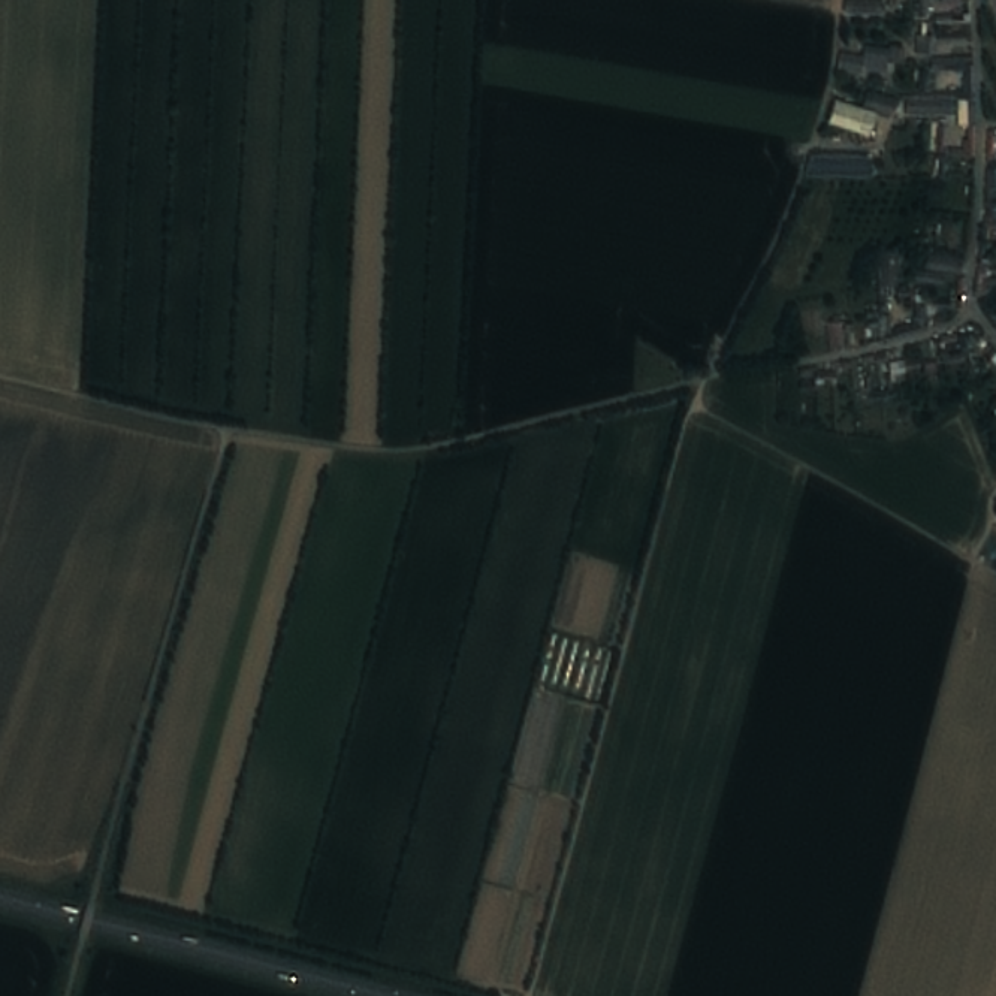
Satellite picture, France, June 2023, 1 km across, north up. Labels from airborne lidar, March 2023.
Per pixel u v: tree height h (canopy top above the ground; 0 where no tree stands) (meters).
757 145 0
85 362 11
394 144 9
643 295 0
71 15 0
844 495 0
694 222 0
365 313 0
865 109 0
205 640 0
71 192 0
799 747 0
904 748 0
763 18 0
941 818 0
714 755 0
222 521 0
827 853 0
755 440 0
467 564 0
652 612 0
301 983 0
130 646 0
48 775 0
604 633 0
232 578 0
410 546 0
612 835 0
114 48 0
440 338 0
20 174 0
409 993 0
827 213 0
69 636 0
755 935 0
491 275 0
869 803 0
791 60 0
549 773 0
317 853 6
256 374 0
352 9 0
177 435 0
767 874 0
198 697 0
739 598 0
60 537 0
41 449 0
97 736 0
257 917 0
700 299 0
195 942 0
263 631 0
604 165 0
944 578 0
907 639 0
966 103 0
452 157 0
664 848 0
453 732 0
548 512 0
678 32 0
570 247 0
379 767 0
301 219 0
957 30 0
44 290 0
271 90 0
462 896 0
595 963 0
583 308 0
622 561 0
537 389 0
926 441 0
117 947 0
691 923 0
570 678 0
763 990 0
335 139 0
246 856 0
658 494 11
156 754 0
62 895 0
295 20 0
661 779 0
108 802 0
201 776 0
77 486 0
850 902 0
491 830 10
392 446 0
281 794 0
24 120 0
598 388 0
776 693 0
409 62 0
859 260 14
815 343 0
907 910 0
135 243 0
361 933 0
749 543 0
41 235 0
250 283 0
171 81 8
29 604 0
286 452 0
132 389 0
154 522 0
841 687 0
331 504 0
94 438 0
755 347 0
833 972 0
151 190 0
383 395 6
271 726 0
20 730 0
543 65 0
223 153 0
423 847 0
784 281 0
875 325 0
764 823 0
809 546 0
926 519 0
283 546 0
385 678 0
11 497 0
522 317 0
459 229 0
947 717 0
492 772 0
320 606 0
